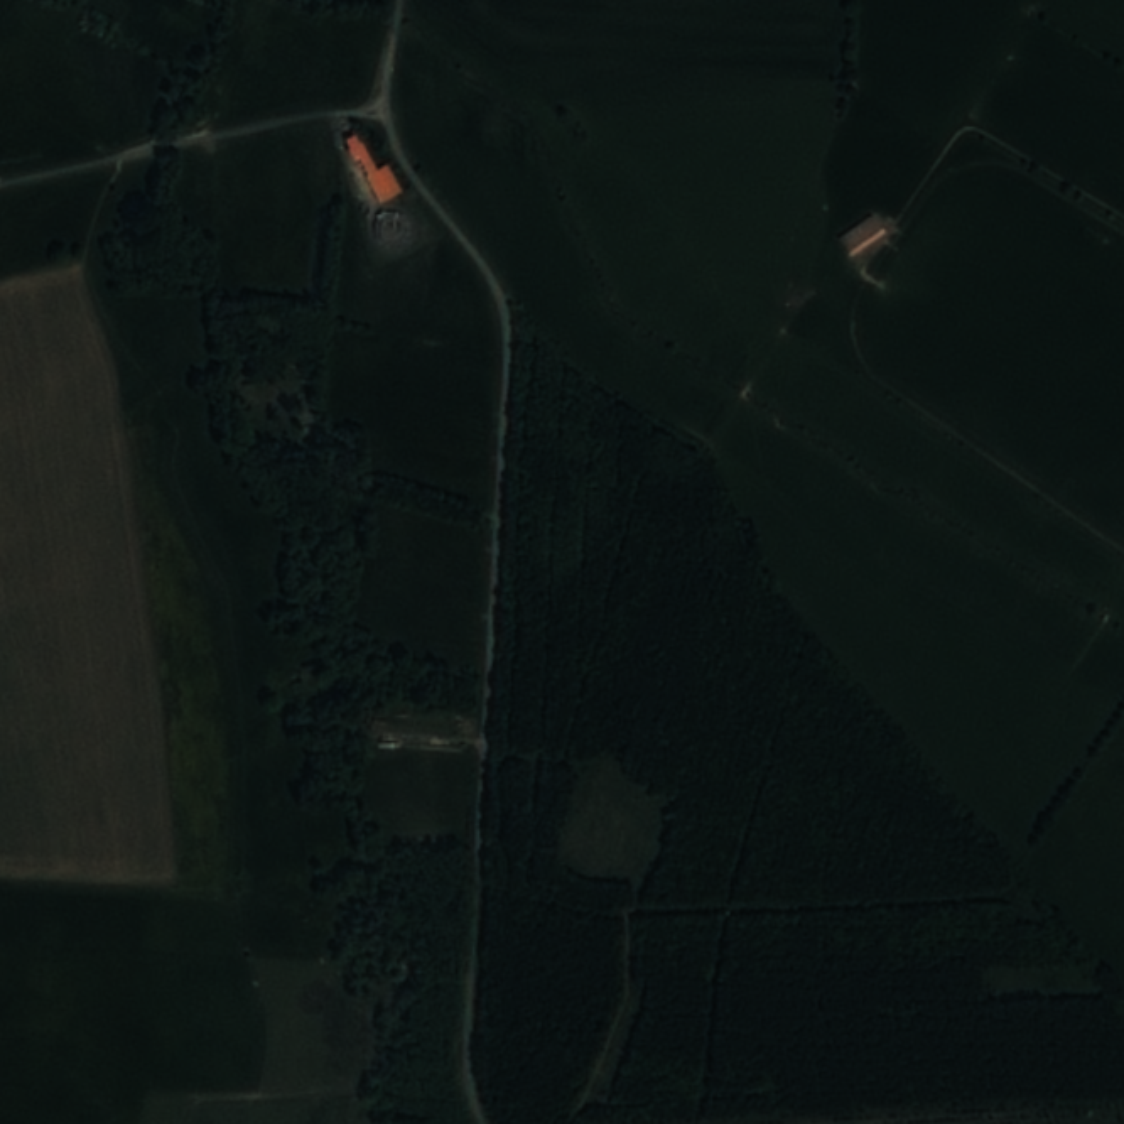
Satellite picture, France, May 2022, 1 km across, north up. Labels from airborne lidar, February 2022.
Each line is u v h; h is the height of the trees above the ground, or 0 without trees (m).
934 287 0
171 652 0
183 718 0
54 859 0
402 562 0
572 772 11
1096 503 0
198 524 0
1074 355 0
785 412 0
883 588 0
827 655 12
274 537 0
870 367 0
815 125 0
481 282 0
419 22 0
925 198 0
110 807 0
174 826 0
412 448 0
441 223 0
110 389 0
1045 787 0
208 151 0
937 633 0
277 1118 0
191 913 0
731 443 0
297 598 18
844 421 0
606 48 0
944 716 0
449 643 0
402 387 0
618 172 0
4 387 0
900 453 0
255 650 0
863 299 0
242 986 0
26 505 0
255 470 23
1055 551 0
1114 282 0
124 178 0
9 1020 0
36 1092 0
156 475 0
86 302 0
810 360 0
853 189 0
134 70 0
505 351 0
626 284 0
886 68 0
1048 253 0
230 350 20
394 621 0
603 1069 0
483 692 0
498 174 0
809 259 0
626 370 0
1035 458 0
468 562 0
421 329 0
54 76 0
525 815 16
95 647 0
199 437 0
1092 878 0
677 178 0
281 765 0
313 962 0
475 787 0
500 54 0
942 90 0
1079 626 0
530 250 0
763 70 0
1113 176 0
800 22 0
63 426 0
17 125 0
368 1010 0
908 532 0
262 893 0
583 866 0
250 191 0
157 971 0
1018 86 0
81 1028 0
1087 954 10
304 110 0
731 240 0
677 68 0
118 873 0
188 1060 0
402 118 0
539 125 0
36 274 0
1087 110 0
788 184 0
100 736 0
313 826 0
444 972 18
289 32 0
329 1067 0
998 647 0
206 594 0
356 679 18
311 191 0
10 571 0
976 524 0
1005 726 0
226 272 0
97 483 0
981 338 0
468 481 0
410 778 0
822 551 0
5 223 0
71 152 0
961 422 0
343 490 19
